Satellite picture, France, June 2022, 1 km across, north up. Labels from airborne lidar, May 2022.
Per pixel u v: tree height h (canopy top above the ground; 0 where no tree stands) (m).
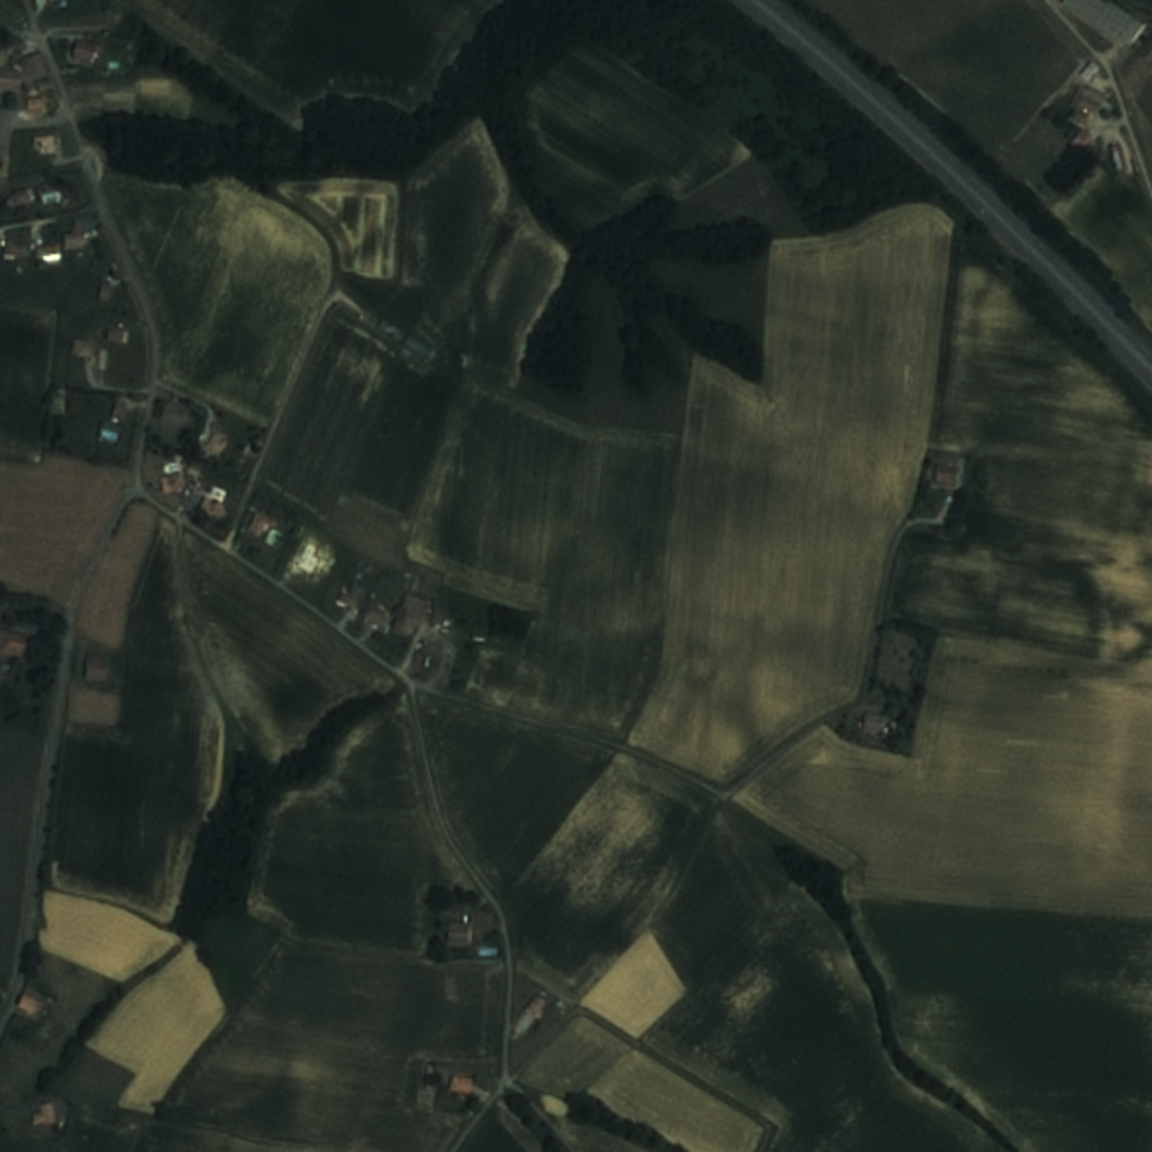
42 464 0
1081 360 0
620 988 0
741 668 0
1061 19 0
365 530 0
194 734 0
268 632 0
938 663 0
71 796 0
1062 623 0
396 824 0
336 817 0
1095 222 0
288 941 0
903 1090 0
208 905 23
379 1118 0
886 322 0
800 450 0
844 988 0
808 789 0
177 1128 0
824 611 0
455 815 0
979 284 0
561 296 15
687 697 0
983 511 0
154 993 0
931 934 0
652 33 10
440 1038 0
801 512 0
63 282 0
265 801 20
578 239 14
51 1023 0
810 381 0
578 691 0
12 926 0
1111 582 0
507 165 9
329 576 0
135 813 0
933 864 0
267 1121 0
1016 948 0
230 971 0
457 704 0
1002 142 0
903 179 9
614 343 0
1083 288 0
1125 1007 0
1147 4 0
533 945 0
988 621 0
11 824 0
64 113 0
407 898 0
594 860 0
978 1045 0
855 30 0
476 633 0
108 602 0
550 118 0
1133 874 0
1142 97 0
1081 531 0
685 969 0
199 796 0
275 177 13
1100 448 0
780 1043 0
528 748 0
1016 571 0
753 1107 0
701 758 0
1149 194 0
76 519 0
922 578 0
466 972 0
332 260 0
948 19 0
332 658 0
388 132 21
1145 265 0
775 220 0
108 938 0
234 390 0
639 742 0
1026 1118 0
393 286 0
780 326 0
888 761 0
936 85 0
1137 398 0
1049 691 0
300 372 0
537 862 0
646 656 0
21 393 0
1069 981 0
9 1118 0
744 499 0
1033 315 0
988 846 0
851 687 0
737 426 0
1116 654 0
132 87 0
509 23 18
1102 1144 0
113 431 0
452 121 23
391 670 0
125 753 0
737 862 0
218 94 15
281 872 0
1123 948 0
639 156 0
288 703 0
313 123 22
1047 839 0
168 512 0
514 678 0
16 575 0
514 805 0
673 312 19
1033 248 0
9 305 0
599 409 0
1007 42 0
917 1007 0
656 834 0
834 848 0
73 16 0
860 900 0
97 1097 0
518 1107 15
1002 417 0
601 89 0
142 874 0
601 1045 0
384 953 0
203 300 0
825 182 8
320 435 0
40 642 14
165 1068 0
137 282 0
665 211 19
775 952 0
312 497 0
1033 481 0
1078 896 0
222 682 0
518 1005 0
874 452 0
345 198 0
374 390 0
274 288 0
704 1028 0
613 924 0
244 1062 0
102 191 0
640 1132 18
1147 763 0
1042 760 0
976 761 0
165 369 0
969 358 0
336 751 0
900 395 0
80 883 0
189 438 9
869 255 0
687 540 0
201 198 0
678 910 0
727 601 0
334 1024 0
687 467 0
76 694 0
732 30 10
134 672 0
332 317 0
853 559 0
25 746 0
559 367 25
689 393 0
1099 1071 0
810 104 8
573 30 17
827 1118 0
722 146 0
